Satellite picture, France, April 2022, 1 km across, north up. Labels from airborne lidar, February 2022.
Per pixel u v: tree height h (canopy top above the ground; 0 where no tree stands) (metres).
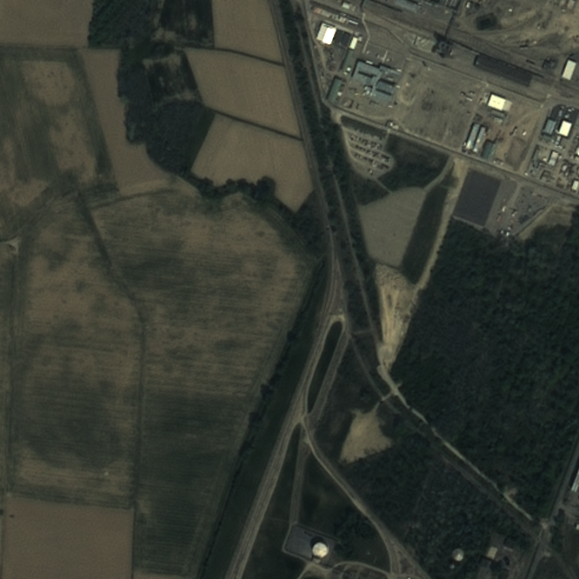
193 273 0
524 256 6
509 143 0
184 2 0
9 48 0
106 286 0
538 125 0
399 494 14
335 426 0
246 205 0
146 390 0
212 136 0
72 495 0
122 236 0
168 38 0
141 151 0
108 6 9
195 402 0
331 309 0
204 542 0
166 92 0
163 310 0
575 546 0
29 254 0
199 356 0
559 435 16
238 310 0
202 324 0
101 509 0
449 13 0
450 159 0
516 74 0
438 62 0
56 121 0
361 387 0
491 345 14
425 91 0
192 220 0
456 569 14
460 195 0
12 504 0
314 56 0
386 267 0
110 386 0
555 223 0
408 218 0
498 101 0
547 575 0
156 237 0
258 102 0
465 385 18
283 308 0
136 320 0
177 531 0
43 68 0
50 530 0
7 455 0
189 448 0
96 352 0
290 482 0
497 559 0
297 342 22
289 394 0
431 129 0
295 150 0
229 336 0
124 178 0
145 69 20
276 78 0
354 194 0
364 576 0
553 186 0
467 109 0
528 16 0
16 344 0
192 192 0
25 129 0
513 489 0
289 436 0
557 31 0
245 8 0
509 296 20
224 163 0
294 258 0
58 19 0
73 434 0
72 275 0
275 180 0
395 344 0
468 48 0
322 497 0
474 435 11
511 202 0
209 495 0
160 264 0
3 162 0
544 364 20
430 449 18
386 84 0
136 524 0
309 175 0
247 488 0
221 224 0
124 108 0
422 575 0
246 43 0
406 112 0
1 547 0
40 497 0
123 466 0
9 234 0
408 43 0
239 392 0
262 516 0
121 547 0
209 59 0
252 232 0
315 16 0
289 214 11
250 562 0
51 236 0
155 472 0
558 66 0
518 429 11
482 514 7
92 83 0
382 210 0
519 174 0
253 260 0
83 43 0
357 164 0
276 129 0
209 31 0
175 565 0
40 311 0
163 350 0
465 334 17
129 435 0
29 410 0
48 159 0
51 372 0
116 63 0
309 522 0
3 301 0
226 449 0
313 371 0
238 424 0
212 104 0
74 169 0
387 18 0
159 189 0
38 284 0
